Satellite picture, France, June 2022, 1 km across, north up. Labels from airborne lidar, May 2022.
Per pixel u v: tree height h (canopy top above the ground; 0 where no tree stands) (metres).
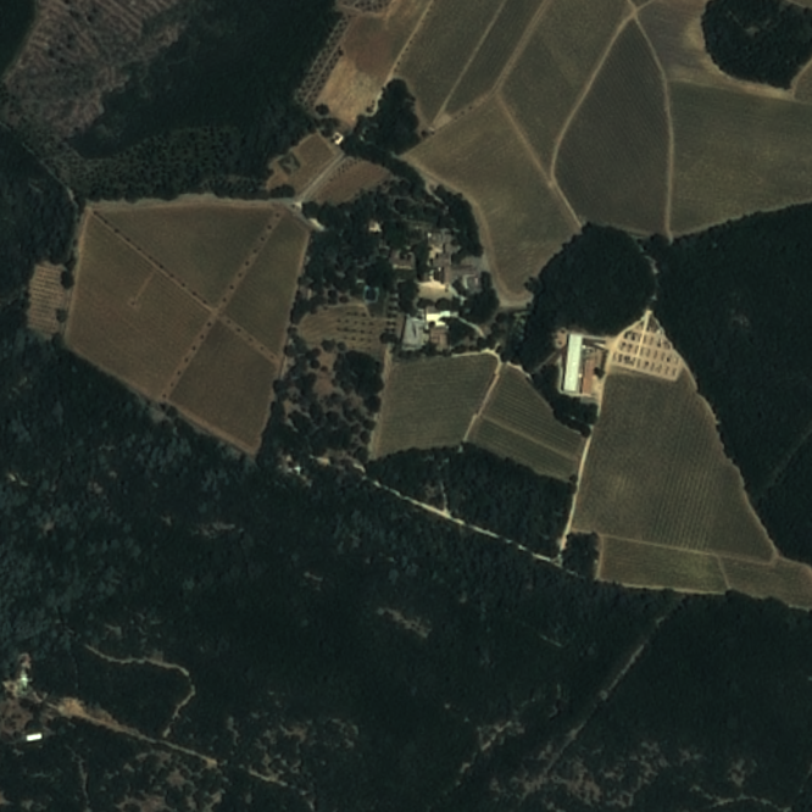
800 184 0
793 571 0
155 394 0
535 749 9
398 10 0
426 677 14
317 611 12
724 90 0
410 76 0
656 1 0
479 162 0
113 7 0
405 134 24
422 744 11
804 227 14
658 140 0
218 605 14
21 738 7
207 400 0
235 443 0
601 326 13
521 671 10
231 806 12
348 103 0
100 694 11
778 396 10
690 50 0
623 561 0
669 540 0
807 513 11
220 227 0
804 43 8
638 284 17
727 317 8
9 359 10
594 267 13
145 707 7
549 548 10
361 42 0
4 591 13
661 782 6
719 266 13
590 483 0
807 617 10
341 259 17
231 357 0
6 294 13
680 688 12
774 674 10
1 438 6
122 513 9
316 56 7
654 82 0
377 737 11
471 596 13
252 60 10
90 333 0
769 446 11
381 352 0
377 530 19
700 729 11
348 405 8
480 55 0
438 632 9
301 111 14
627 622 10
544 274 11
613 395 0
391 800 7
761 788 6
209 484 17
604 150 0
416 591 10
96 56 0
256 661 12
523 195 0
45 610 16
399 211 10
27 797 7
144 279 0
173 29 0
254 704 7
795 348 6
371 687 15
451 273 0
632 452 0
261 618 13
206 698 10
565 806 6
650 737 6
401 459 14
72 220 13
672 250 17
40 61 0
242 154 8
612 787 6
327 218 17
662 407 0
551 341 11
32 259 9
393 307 6
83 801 9
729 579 0
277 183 0
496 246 0
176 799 8
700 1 0
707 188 0
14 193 14
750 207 0
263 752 5
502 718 8
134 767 6
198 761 7
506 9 0
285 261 0
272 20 9
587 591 14
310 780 8
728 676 10
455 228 10
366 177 0
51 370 12
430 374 0
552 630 19
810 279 7
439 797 11
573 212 0
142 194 12
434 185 0
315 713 8
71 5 13
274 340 0
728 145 0
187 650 8
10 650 15
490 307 15
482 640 10
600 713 12
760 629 14
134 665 6
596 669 17
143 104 7
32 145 8
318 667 13
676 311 12
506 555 17
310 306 10
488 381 0
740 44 13
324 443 13
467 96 0
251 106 14
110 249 0
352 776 8
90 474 11
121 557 12
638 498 0
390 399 0
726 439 14
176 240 0
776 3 11
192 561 12
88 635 12
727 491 0
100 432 10
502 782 6
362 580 11
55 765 7
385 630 8
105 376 15
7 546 20
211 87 11
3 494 19
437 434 0
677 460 0
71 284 13
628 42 0
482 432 0
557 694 12
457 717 9
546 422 0
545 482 10
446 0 0
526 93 0
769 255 11
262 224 0
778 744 9
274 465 11
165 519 8
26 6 8
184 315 0
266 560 13
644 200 0
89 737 8
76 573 16
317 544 10
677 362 0
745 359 10
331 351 14
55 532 13
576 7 0
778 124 0
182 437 11
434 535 9
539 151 0
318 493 15
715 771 7
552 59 0
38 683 13
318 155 0
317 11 10
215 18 6
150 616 16
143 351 0
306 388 11
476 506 16
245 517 6
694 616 13
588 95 0
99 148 8
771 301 6
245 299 0
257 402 0
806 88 0
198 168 10
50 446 11
